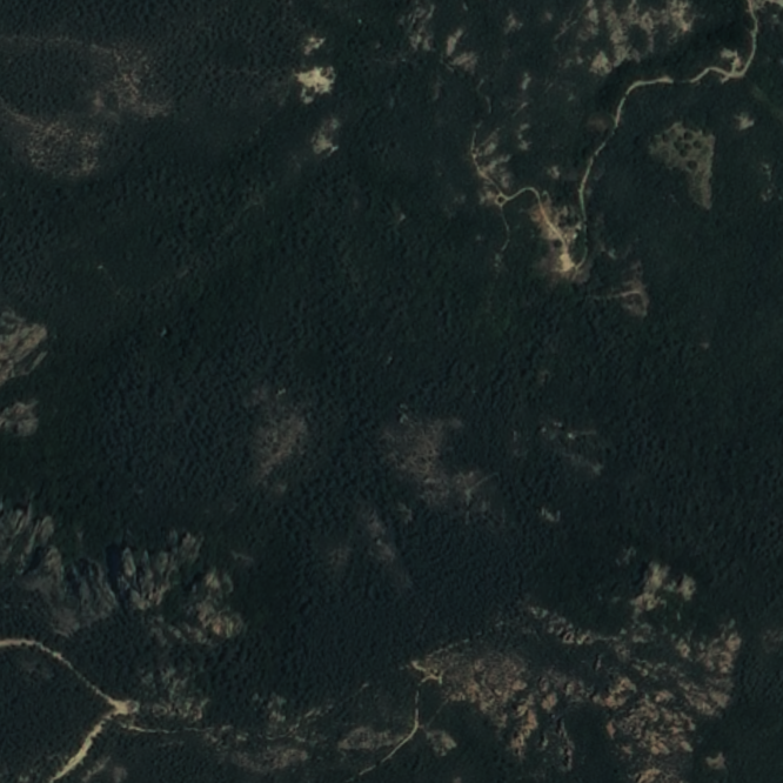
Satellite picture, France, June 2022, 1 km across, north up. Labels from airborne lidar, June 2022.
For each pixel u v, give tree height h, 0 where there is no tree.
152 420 17
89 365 11
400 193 12
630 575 10
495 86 7
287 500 8
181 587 20
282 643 12
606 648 6
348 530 15
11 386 14
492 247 6
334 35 7
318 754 8
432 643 10
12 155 13
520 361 12
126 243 8
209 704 10
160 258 8
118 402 19
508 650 11
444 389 15
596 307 8
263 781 6
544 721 6
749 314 13
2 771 15
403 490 7
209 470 16
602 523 14
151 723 17
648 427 17
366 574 12
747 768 10
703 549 15
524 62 6
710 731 6
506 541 9
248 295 15
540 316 7
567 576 13
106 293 11
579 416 6
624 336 17
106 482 11
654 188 9
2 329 6
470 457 13
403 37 8
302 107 8
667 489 7
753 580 13
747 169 9
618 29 0
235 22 16
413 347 7
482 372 8
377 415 17
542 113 6
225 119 7
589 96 7
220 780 11
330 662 15
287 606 15
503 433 12
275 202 6
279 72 17
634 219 8
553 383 7
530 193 6
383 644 16
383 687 11
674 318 13
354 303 7
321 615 16
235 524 11
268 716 14
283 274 10
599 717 7
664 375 14
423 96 6
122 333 18
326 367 8
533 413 6
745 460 9
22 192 14
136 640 18
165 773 11
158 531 11
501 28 12
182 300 11
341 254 14
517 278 10
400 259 7
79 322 9
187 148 6
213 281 9
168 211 6
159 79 10
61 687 16
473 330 9
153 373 23
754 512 11
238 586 13
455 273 10
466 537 14
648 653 6
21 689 14
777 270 6
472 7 7
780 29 7
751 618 14
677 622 14
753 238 16
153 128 7
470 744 12
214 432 17
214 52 16
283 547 15
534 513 8
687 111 7
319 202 12
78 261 10
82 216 10
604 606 9
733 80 6
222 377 26
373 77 7
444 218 9
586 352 9
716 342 8
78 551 8
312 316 8
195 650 22
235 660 21
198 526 10
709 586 9
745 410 17
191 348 18
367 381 13
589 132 7
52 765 13
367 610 15
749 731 7
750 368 10
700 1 11
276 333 9
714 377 6
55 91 7
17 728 17
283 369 18
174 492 15
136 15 17
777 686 15
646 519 9
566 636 6
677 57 7
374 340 6
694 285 6
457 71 6
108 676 19
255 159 15
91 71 8
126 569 0
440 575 13
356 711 7
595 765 6
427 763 11
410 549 13
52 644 17
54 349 10
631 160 8
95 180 8
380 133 7
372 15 5
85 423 12
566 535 10
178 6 16
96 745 14
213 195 14
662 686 6
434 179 8
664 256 6
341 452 7
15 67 14
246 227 7
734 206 10
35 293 14
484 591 11
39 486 17
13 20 13
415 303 11
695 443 13
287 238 10
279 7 16
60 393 9
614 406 12
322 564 13
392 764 9
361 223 7
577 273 0
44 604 9
